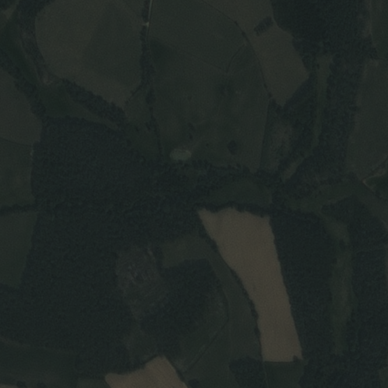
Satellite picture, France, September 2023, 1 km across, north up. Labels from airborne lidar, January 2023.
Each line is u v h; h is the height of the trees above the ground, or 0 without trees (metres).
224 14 0
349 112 15
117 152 23
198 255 0
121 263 0
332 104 15
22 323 24
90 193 22
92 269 23
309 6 12
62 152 13
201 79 0
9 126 0
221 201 0
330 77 6
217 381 0
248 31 0
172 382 0
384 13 0
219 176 9
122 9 0
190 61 0
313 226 8
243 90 0
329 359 18
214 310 0
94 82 0
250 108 0
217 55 0
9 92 0
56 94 0
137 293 0
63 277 26
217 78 0
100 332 20
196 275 21
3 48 0
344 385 14
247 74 0
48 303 19
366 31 0
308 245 20
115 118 17
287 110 15
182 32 0
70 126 17
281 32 0
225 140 0
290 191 20
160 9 0
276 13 9
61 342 20
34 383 0
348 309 0
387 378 0
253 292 0
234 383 0
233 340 0
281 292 0
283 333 0
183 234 16
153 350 0
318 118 0
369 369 13
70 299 24
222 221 0
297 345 0
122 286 0
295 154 13
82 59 0
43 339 20
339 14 12
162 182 20
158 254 23
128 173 19
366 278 25
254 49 0
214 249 11
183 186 8
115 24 0
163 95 0
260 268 0
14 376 0
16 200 0
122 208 19
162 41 0
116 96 0
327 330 12
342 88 6
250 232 0
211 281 22
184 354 0
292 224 22
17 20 0
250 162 0
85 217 22
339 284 0
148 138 0
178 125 0
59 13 0
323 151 19
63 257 22
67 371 0
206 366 0
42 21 0
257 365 16
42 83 15
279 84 0
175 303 24
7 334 21
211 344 0
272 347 0
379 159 0
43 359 0
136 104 0
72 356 0
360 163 0
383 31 0
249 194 0
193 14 0
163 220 10
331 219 0
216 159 0
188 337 0
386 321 8
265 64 0
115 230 24
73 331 19
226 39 0
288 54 0
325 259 23
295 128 17
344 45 14
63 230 22
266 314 0
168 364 0
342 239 0
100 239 21
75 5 0
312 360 17
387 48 0
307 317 19
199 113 0
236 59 0
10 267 0
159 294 0
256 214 12
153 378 0
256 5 0
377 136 0
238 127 0
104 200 26
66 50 0
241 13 0
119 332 19
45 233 21
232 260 0
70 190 23
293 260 25
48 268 24
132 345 0
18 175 0
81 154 17
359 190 0
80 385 0
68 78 0
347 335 6
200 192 14
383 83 0
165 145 0
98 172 14
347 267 0
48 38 0
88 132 19
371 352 9
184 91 0
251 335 0
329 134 16
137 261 0
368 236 14
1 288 19
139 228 26
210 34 0
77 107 0
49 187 20
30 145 0
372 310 14
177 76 0
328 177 11
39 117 15
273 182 17
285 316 0
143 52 12
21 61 0
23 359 0
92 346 19
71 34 0
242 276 0
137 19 0
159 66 0
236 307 0
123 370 16
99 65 0
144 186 22
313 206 0
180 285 22
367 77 0
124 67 0
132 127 0
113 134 15
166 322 20
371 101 0
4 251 0
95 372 19
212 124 0
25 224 0
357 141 0
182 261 0
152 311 0
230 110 0
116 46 0
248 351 0
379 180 0
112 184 18
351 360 23
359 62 11
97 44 0
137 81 0
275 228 27
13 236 0
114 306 21
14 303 24
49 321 22
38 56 16
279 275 0
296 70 0
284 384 0
